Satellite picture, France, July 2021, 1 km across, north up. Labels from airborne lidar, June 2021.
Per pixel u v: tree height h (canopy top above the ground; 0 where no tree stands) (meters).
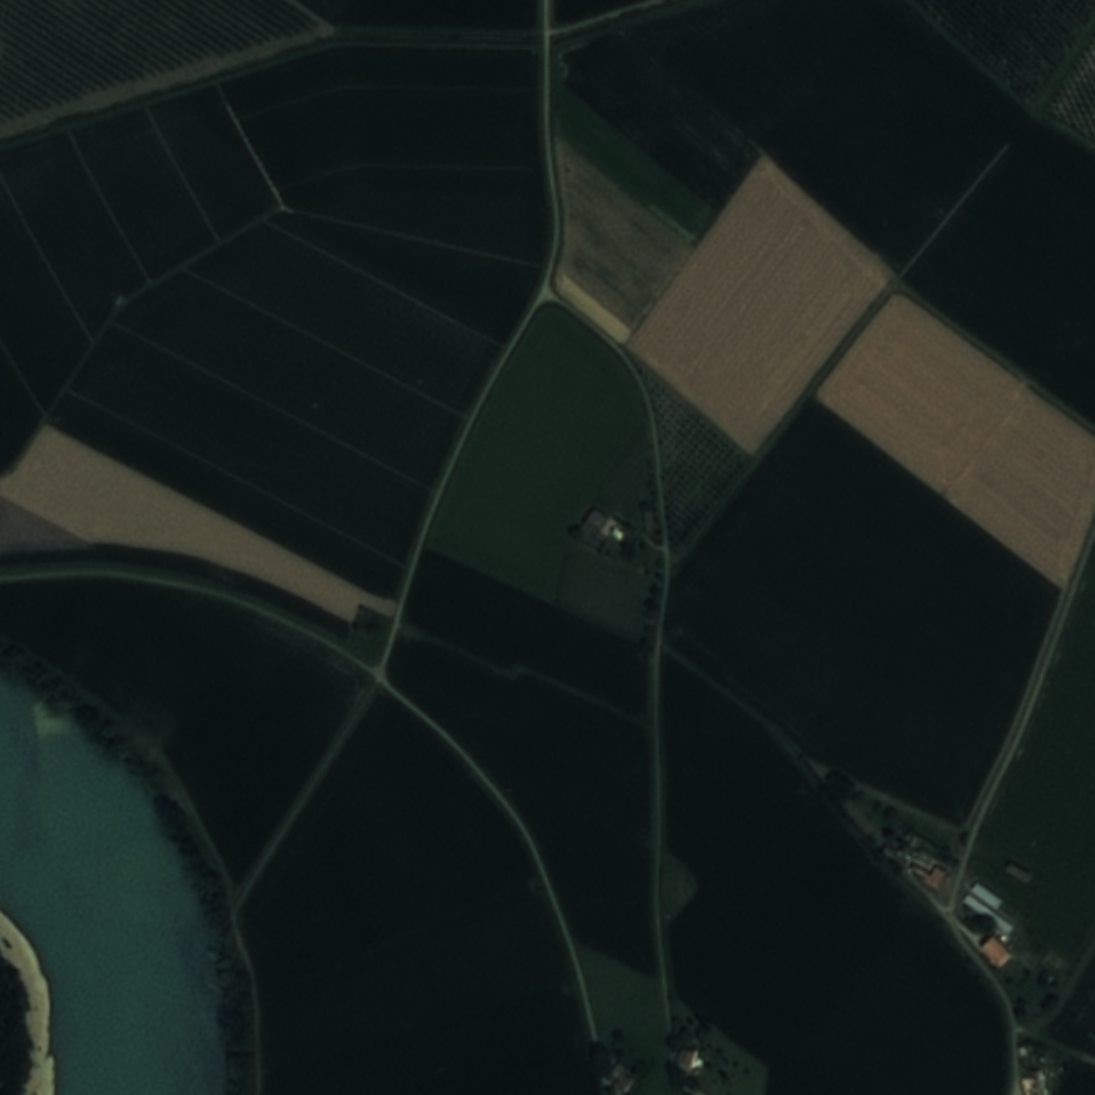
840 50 0
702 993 0
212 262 0
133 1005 0
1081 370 0
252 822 0
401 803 0
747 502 0
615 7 0
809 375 0
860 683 0
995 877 0
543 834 0
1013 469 0
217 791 0
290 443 0
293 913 0
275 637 0
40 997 0
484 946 0
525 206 0
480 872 0
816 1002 0
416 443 0
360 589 0
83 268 0
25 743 0
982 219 0
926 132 0
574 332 0
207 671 0
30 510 0
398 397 0
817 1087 0
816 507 0
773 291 0
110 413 0
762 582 0
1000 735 0
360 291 0
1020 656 0
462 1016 0
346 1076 0
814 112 0
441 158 0
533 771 0
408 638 0
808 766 6
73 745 0
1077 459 0
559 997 0
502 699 0
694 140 0
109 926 0
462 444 0
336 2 0
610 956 0
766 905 0
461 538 0
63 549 0
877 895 0
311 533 0
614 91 0
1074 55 0
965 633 0
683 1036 9
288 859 0
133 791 0
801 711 0
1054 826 0
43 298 0
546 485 0
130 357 0
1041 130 0
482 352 0
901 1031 0
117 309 0
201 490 0
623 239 0
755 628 0
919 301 0
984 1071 0
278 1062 0
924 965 0
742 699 0
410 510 0
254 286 0
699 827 0
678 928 0
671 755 0
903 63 0
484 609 0
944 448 0
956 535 0
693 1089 11
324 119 0
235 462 0
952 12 9
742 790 0
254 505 0
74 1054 0
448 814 0
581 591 0
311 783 0
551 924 0
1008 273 0
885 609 0
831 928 0
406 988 0
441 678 0
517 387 0
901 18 0
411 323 0
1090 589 0
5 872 0
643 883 0
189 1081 0
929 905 0
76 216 0
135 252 0
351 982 0
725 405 0
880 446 0
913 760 0
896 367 0
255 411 0
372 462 0
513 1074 0
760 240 0
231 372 0
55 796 0
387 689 0
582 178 0
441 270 0
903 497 0
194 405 0
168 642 0
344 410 0
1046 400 0
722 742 0
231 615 0
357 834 0
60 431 0
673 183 0
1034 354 0
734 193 0
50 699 15
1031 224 0
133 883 0
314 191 0
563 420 0
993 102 0
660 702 0
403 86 0
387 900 0
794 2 0
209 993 0
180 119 0
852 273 0
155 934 0
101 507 0
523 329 0
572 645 0
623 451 0
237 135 0
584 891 0
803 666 0
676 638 0
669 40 0
